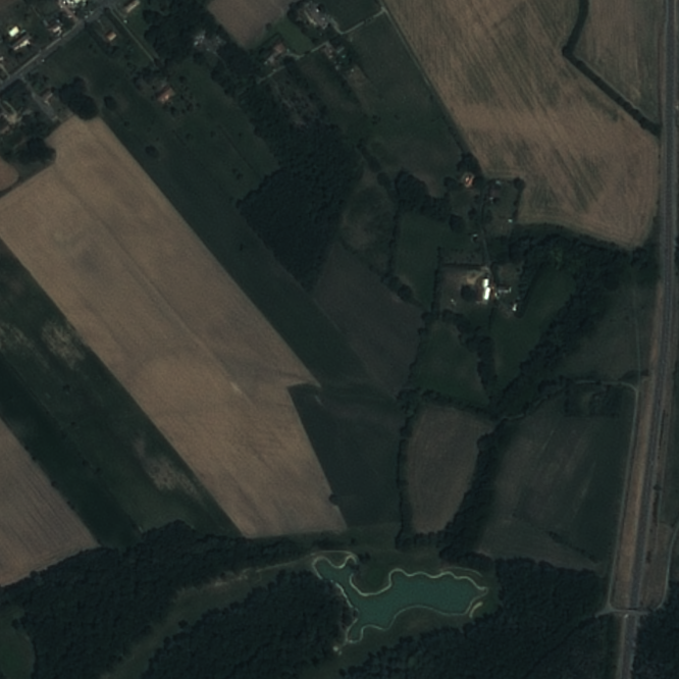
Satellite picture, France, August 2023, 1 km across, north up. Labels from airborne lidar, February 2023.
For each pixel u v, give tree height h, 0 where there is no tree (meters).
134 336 0
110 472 0
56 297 0
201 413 0
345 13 0
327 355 0
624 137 0
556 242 22
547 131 0
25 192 0
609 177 0
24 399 0
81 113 16
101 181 0
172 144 0
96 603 23
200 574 25
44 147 18
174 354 0
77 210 0
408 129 0
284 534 0
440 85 0
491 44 0
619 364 0
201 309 0
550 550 0
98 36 13
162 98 0
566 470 0
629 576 0
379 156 0
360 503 0
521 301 8
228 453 0
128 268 0
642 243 0
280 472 0
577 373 0
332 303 0
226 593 0
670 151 0
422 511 0
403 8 0
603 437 0
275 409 0
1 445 0
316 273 15
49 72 0
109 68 0
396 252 10
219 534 0
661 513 0
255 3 0
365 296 0
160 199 0
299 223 15
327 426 0
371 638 0
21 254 0
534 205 0
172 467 0
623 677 0
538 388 0
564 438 0
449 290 0
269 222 16
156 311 0
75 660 19
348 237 0
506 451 0
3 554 0
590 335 27
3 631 0
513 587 21
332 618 26
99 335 0
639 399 0
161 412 0
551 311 0
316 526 0
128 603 21
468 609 0
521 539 0
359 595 0
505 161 0
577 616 23
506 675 24
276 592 20
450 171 0
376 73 0
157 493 0
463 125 0
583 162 0
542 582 25
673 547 0
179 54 15
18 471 0
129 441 0
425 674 20
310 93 13
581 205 0
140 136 0
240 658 21
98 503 0
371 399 0
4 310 0
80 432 0
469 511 8
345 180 19
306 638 16
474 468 0
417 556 0
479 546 0
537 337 0
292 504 0
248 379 0
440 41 0
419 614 0
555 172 0
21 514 0
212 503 0
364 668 0
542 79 0
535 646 19
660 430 0
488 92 0
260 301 0
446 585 0
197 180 0
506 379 0
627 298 0
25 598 22
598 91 0
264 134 10
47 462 0
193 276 0
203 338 0
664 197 0
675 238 0
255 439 0
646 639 26
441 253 8
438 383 0
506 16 0
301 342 0
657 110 0
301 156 11
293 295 0
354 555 0
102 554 15
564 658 25
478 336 6
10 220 0
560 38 0
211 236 0
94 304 0
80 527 0
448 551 7
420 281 0
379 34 0
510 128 0
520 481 0
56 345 0
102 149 0
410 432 13
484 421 0
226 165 0
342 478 0
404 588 0
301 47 0
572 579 20
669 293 0
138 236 0
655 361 0
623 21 0
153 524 0
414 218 0
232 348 0
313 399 0
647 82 0
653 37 0
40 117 10
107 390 0
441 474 0
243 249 7
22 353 0
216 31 16
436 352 0
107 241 0
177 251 0
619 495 0
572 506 0
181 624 0
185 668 22
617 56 0
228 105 0
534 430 0
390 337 0
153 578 23
